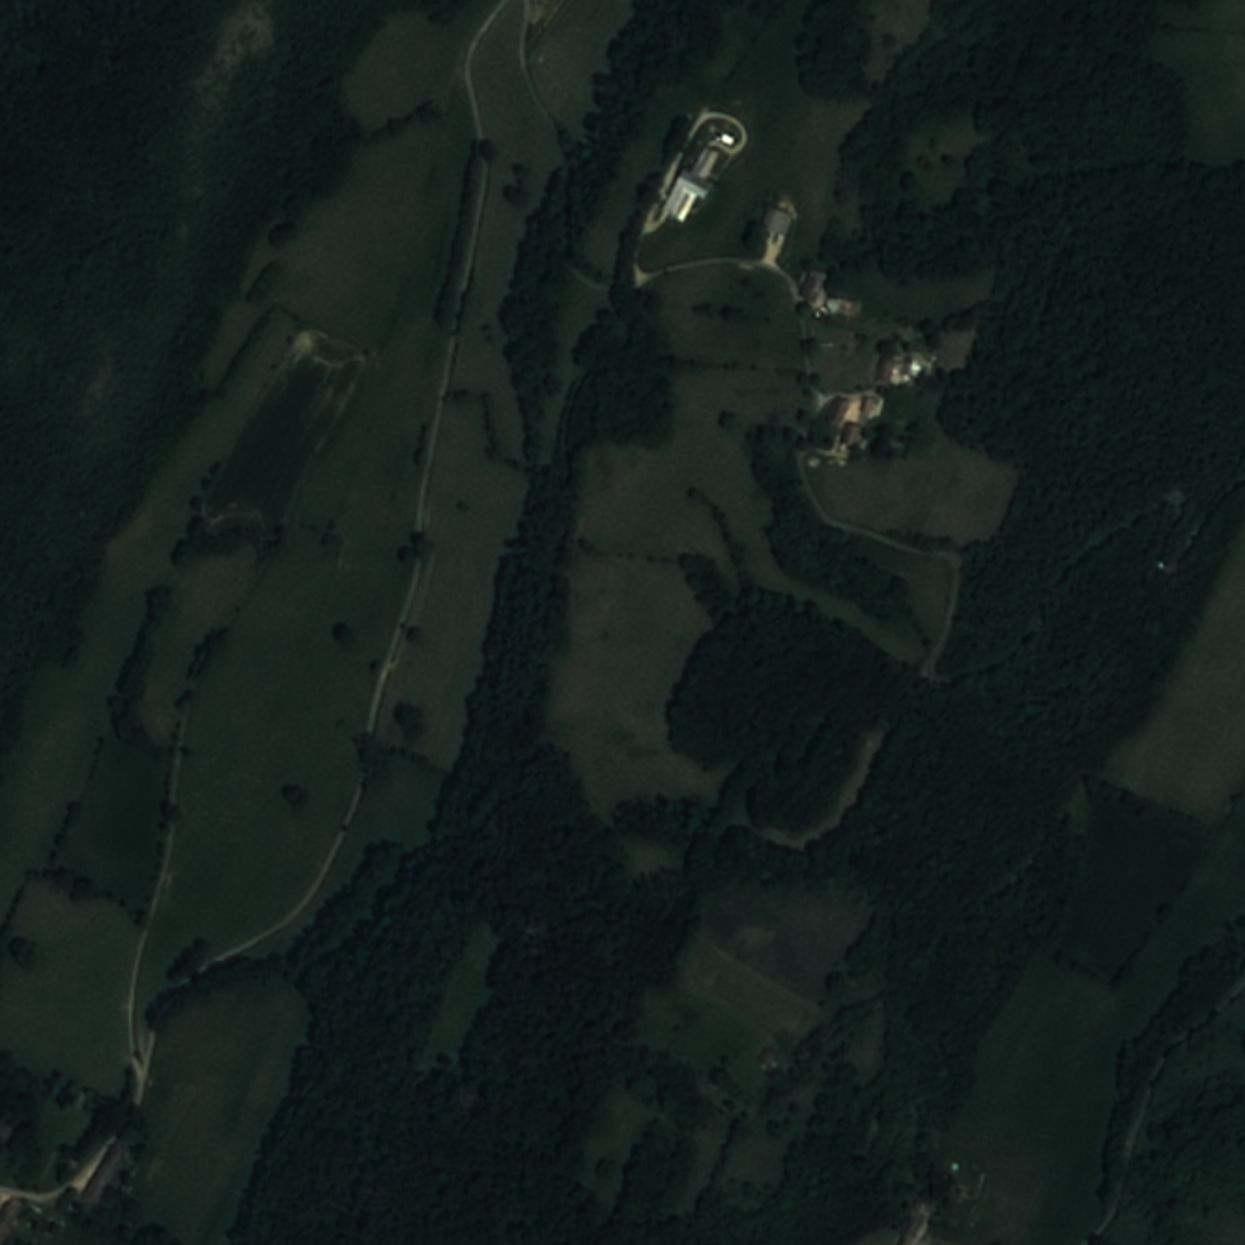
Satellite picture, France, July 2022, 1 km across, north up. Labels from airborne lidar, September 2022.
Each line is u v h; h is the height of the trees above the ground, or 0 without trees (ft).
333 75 32
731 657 73
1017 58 58
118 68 59
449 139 0
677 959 56
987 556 50
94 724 0
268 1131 0
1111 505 46
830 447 39
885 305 0
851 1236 49
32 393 21
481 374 0
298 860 0
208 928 0
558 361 37
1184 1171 18
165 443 61
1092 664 59
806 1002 0
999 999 33
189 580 0
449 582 0
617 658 0
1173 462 54
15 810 0
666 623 0
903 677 73
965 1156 0
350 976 94
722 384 0
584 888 73
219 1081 0
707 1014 0
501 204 0
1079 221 68
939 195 0
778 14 31
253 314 0
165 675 0
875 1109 27
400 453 0
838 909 0
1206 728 0
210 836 0
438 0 59
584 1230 74
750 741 81
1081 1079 0
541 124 0
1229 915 0
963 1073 58
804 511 47
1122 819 0
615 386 53
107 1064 0
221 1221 0
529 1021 82
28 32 54
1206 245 52
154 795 0
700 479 0
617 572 0
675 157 47
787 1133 49
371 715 0
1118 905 0
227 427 0
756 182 0
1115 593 56
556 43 0
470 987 0
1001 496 0
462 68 0
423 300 0
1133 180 66
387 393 0
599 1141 0
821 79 66
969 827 62
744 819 0
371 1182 65
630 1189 58
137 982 0
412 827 0
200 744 0
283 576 0
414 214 0
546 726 55
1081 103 56
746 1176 0
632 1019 32
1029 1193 0
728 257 0
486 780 83
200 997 46
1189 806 0
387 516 0
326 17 37
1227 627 0
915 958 61
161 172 24
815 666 87
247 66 21
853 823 49
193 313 40
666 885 83
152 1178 0
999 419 56
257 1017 0
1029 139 47
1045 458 54
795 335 0
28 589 24
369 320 0
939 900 64
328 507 0
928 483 0
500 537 0
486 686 51
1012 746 54
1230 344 72
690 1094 59
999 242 60
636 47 41
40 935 0
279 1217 75
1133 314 54
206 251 34
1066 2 85
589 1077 70
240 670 0
